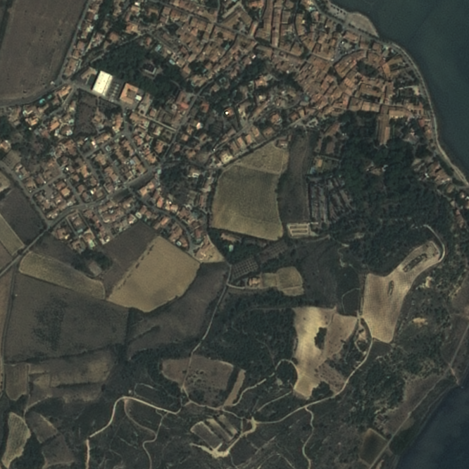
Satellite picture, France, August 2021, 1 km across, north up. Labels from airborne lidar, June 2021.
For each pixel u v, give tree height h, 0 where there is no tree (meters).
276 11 0
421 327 0
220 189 0
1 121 10
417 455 0
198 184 6
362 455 0
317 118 6
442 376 0
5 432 6
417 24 0
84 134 8
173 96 8
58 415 0
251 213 0
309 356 0
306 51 15
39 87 0
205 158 0
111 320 0
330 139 10
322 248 0
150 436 0
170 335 0
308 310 0
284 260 10
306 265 0
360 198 11
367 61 0
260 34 0
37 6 0
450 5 0
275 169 0
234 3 6
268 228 0
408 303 0
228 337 8
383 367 11
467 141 0
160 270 0
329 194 9
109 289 0
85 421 0
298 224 0
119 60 14
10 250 0
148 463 0
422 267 0
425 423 0
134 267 0
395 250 11
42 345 0
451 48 0
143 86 15
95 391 0
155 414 0
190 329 0
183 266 0
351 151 19
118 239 0
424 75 0
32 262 0
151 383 0
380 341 0
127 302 0
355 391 6
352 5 0
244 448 0
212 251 0
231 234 8
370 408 9
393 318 0
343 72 0
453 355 0
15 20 0
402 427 0
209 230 12
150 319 0
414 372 13
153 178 0
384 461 0
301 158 0
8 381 0
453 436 0
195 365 0
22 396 7
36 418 0
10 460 0
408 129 15
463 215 11
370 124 10
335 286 0
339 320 0
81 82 0
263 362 7
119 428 0
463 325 0
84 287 0
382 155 20
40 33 0
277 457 0
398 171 16
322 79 0
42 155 9
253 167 0
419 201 12
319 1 6
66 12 0
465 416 0
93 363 0
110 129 6
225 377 0
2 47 0
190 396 7
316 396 9
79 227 0
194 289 0
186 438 0
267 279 0
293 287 0
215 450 0
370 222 8
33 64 0
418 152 8
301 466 0
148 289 0
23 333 0
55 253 0
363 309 0
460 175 0
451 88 0
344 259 0
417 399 0
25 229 0
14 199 0
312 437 0
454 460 0
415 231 9
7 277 0
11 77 0
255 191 0
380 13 0
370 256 7
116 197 0
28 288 0
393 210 12
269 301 9
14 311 0
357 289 0
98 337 0
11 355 0
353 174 17
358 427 8
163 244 0
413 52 0
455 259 9
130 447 0
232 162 7
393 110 0
